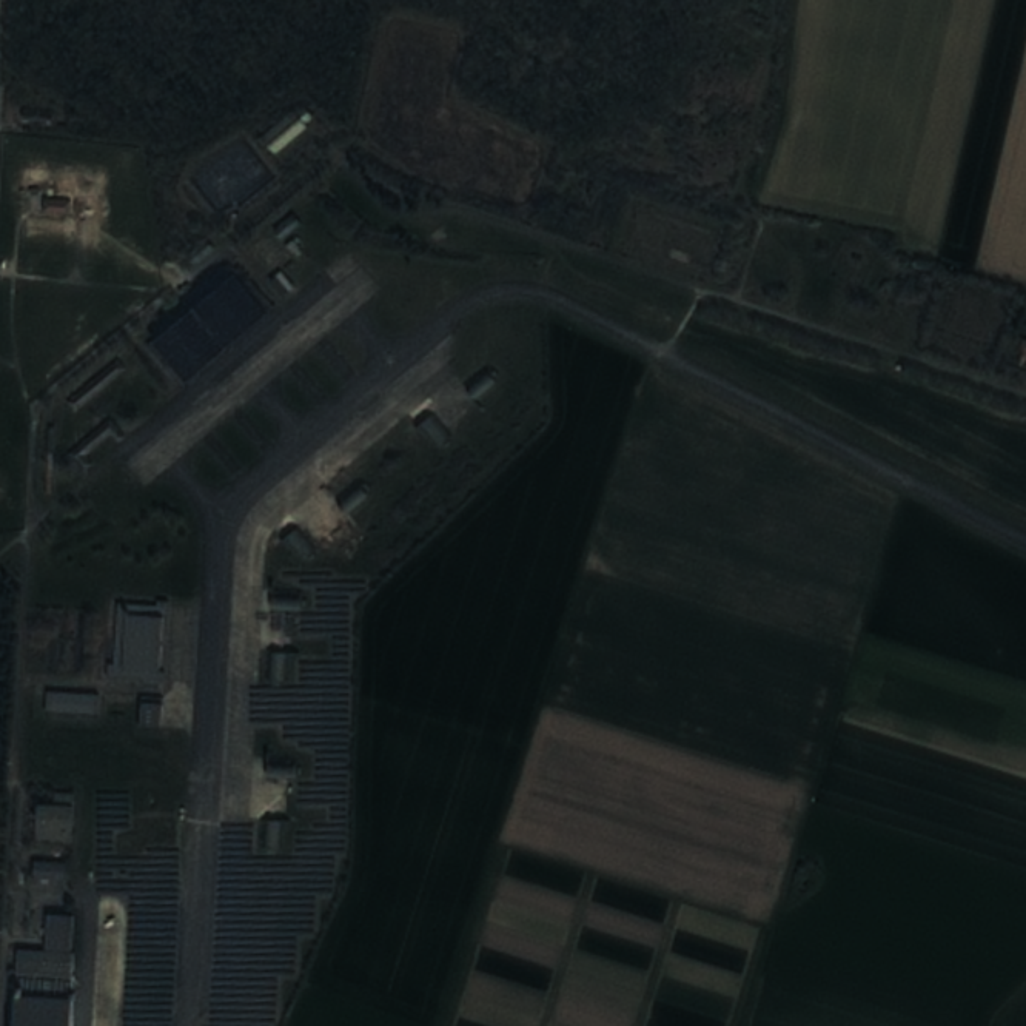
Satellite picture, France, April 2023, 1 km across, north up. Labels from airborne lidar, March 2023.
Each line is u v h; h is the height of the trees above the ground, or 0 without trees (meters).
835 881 0
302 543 0
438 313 0
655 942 0
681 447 0
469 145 0
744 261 0
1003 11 0
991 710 0
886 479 0
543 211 18
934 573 0
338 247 0
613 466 0
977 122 0
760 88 0
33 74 14
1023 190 0
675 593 0
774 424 0
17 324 0
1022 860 0
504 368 0
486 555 0
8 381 0
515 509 0
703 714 0
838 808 0
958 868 0
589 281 0
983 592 0
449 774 0
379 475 0
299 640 0
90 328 0
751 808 0
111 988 0
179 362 0
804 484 0
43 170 0
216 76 24
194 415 0
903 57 0
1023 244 0
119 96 22
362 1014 0
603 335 0
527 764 0
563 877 0
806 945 0
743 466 0
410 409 0
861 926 0
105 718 0
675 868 0
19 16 15
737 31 0
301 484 0
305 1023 0
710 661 0
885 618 0
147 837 0
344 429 0
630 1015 0
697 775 0
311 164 6
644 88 15
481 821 0
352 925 0
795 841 0
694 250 0
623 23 20
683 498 0
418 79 0
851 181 0
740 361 0
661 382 0
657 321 0
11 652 15
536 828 0
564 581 0
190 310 0
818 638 0
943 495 0
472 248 0
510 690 0
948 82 0
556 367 0
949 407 0
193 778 0
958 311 0
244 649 0
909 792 0
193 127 19
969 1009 0
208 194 0
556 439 0
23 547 0
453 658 0
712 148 0
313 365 0
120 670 0
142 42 18
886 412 0
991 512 0
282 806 0
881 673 0
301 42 20
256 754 0
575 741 0
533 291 0
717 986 0
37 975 0
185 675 0
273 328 0
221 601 0
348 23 18
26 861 0
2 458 0
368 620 0
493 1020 0
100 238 0
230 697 0
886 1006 0
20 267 0
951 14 0
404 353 0
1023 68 0
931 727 0
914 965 0
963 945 0
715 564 0
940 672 0
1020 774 0
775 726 0
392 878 0
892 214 0
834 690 0
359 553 0
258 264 0
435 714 0
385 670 0
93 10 19
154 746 0
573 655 0
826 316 0
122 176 0
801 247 0
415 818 0
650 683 0
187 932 0
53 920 0
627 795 0
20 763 0
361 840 0
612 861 0
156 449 0
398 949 0
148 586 0
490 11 17
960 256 0
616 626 0
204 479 0
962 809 0
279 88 18
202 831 0
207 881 0
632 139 7
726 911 0
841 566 0
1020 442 0
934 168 0
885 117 0
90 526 0
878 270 0
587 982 0
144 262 0
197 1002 0
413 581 0
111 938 0
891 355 0
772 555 0
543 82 23
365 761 0
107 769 0
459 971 0
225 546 0
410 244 11
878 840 0
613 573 0
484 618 0
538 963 0
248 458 0
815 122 0
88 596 0
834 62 0
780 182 0
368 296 0
